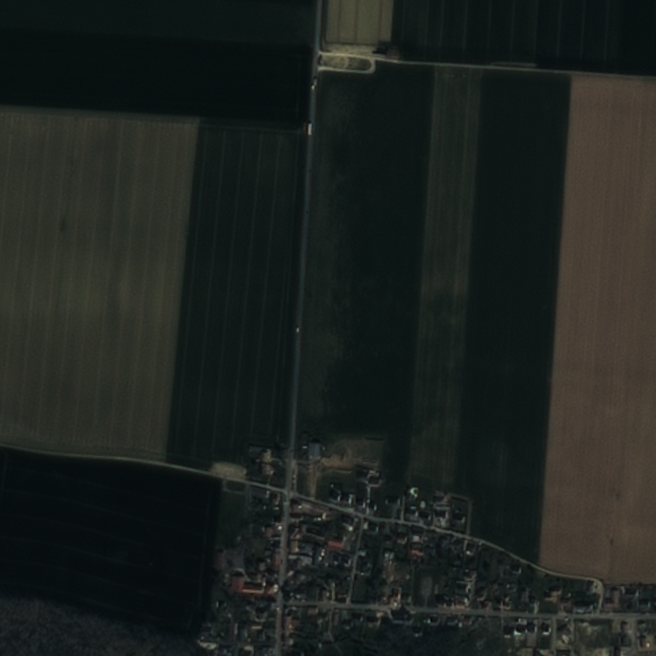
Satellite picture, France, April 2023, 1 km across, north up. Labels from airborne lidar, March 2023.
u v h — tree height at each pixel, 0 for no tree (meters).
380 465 0
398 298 0
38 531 0
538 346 0
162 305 0
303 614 0
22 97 0
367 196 0
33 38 0
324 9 0
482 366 0
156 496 0
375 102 0
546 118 0
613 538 0
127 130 0
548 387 0
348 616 0
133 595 0
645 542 0
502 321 0
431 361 0
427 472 0
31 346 0
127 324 0
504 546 0
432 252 0
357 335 0
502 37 0
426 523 0
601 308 0
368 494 0
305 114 0
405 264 0
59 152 0
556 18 0
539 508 0
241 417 0
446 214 0
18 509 0
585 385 0
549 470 0
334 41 0
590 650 0
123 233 0
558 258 0
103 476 0
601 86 0
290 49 0
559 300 0
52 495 0
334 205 0
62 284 0
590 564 0
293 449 0
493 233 0
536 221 0
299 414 0
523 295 0
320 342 0
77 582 0
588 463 0
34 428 0
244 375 0
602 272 0
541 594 0
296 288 0
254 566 8
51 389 0
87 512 0
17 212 0
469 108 0
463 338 0
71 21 0
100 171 0
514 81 0
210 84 0
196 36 0
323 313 0
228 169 0
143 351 0
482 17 0
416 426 0
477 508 0
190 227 0
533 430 0
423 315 0
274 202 0
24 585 0
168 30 0
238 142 0
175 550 0
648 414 0
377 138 0
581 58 0
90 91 0
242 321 0
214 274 0
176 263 0
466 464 0
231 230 0
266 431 0
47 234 0
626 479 0
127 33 0
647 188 0
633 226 0
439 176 0
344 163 0
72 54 0
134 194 0
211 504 0
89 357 0
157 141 0
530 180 0
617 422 0
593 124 0
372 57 0
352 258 0
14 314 0
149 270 0
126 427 0
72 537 0
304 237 0
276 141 0
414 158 0
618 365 0
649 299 0
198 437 0
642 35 0
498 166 0
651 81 0
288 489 0
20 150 0
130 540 0
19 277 0
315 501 0
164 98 0
